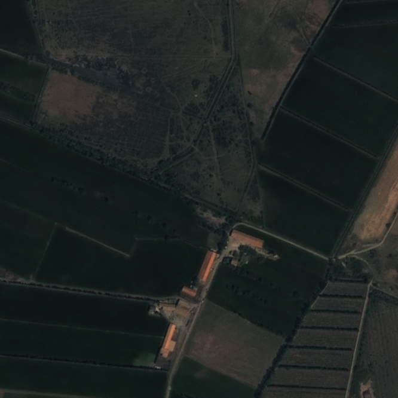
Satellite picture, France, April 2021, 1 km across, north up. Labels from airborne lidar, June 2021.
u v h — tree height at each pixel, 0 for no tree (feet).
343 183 0
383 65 0
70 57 0
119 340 0
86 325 0
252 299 46
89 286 0
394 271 0
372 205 0
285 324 0
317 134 0
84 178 0
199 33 0
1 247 0
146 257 0
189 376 0
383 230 0
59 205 0
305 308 24
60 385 0
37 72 0
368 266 0
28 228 0
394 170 0
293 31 0
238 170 0
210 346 0
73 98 0
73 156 0
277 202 0
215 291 0
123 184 0
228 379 0
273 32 0
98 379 0
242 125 0
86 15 0
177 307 0
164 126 0
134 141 0
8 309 0
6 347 0
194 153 0
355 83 0
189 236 0
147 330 0
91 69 0
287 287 0
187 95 0
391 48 0
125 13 0
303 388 30
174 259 0
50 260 0
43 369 0
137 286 0
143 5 0
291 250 0
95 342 0
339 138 32
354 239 0
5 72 0
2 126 0
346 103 0
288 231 0
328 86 0
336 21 0
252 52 0
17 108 0
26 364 0
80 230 0
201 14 0
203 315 0
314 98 0
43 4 0
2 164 0
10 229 0
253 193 0
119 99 0
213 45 0
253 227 0
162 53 0
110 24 0
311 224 0
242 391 0
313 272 0
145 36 0
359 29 0
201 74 0
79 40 0
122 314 0
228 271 0
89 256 0
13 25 0
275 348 0
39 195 0
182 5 0
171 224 0
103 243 0
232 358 0
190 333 0
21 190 0
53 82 0
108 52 0
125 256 0
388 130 0
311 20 0
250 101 0
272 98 0
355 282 32
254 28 0
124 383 0
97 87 0
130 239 0
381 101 0
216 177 0
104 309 0
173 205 0
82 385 0
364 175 0
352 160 0
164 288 0
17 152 0
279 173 21
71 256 0
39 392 0
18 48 0
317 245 0
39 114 0
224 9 0
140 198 0
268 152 0
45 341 0
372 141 0
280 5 0
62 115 0
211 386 0
